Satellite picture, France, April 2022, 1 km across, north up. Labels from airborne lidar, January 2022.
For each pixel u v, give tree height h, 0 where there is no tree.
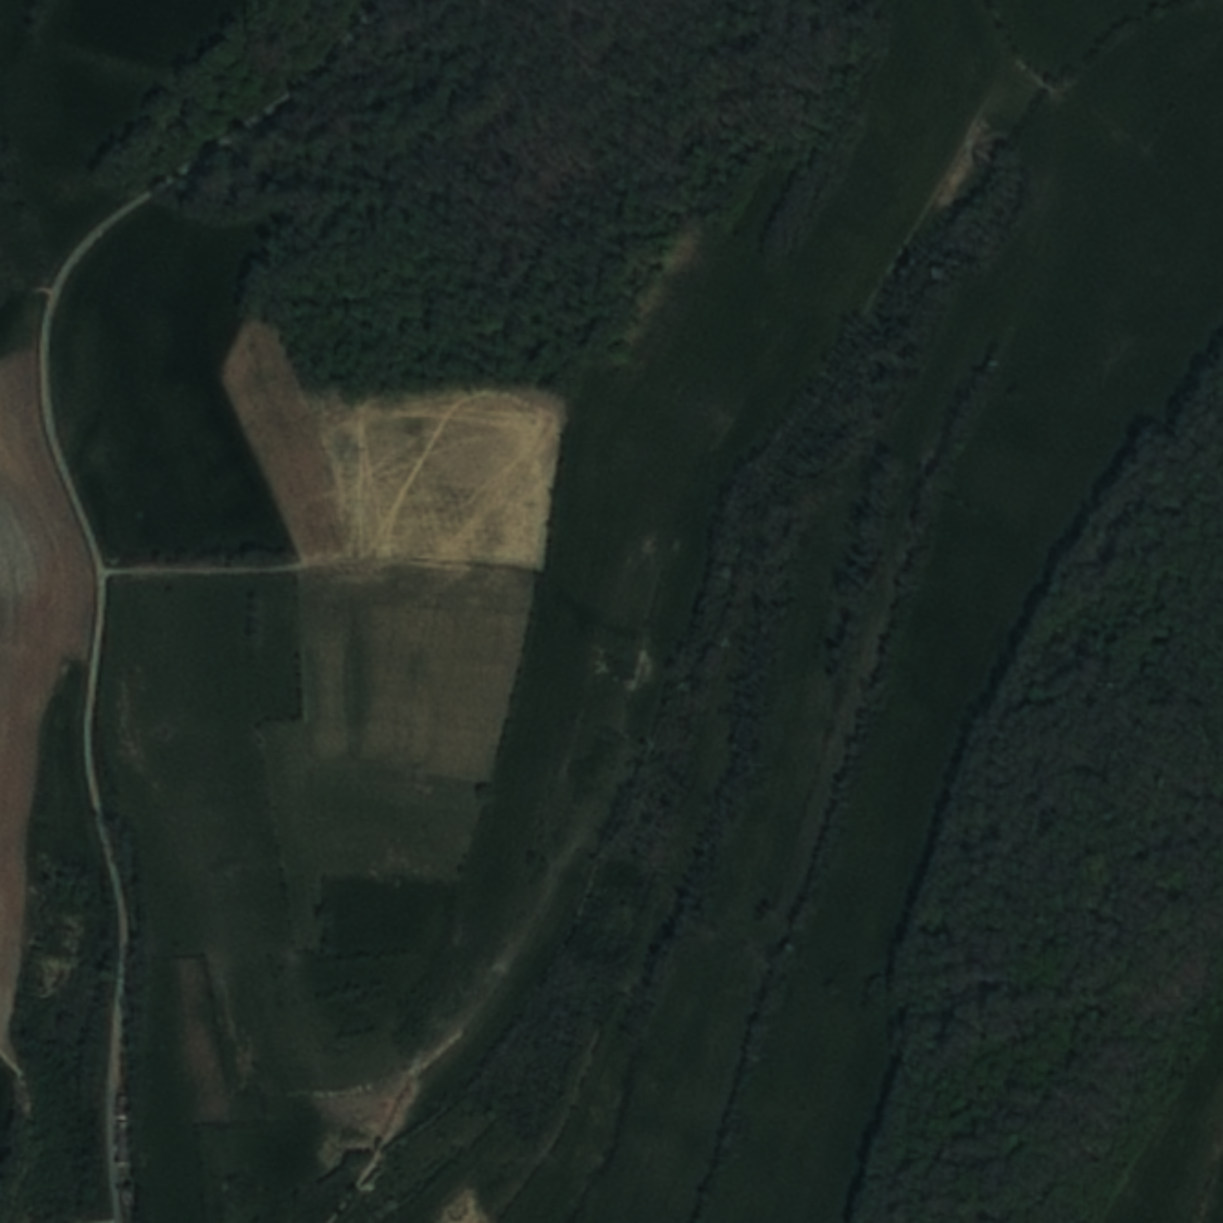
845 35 28
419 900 0
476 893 0
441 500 0
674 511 0
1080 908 30
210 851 0
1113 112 0
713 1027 0
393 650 0
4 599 0
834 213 0
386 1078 0
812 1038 0
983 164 0
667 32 31
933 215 0
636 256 29
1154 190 0
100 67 0
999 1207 28
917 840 0
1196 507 23
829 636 0
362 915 0
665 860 27
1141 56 0
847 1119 0
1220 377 27
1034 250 0
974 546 0
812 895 6
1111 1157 29
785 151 28
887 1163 21
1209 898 29
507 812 0
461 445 0
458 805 0
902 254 0
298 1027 0
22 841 0
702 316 0
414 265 28
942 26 0
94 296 0
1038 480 0
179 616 0
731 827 24
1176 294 0
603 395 0
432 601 0
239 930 0
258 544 0
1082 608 19
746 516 26
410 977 0
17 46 0
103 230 0
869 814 0
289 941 0
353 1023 0
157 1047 0
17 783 0
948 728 0
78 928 0
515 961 0
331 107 13
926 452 0
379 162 29
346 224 17
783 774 0
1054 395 0
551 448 0
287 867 0
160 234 0
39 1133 13
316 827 0
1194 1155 0
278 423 0
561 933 0
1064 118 0
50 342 0
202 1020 0
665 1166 0
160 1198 0
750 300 0
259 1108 0
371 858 0
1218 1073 0
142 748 0
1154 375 0
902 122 0
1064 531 0
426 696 0
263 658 0
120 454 0
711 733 0
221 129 22
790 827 0
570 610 0
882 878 0
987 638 0
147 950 10
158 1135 0
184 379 0
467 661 0
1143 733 28
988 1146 27
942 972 25
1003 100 0
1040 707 16
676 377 0
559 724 0
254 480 0
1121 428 0
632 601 0
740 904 0
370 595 0
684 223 28
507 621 0
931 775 0
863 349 9
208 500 0
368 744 0
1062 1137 27
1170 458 29
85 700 0
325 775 0
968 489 0
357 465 0
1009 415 0
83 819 0
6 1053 0
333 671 0
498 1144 0
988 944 27
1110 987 29
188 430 0
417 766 0
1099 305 0
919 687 0
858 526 0
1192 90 0
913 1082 20
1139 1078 26
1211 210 0
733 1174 0
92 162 0
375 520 0
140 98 0
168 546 0
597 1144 0
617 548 0
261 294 23
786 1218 0
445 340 28
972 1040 29
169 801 0
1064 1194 25
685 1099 0
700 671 11
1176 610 20
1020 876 27
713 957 0
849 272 0
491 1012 0
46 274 0
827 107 32
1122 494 24
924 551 15
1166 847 26
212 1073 0
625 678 0
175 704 0
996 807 25
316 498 0
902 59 0
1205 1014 23
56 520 0
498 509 0
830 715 0
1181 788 27
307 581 0
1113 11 0
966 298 0
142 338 0
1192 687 29
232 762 0
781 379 0
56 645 0
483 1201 0
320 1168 0
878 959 0
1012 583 0
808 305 0
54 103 0
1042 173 0
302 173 8
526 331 26
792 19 32
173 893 0
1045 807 24
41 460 0
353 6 19
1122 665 26
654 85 29
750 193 25
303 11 15
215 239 0
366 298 26
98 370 0
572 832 0
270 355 0
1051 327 0
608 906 9
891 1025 0
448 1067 0
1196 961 28
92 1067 17
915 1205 26
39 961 11
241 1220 0
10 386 0
